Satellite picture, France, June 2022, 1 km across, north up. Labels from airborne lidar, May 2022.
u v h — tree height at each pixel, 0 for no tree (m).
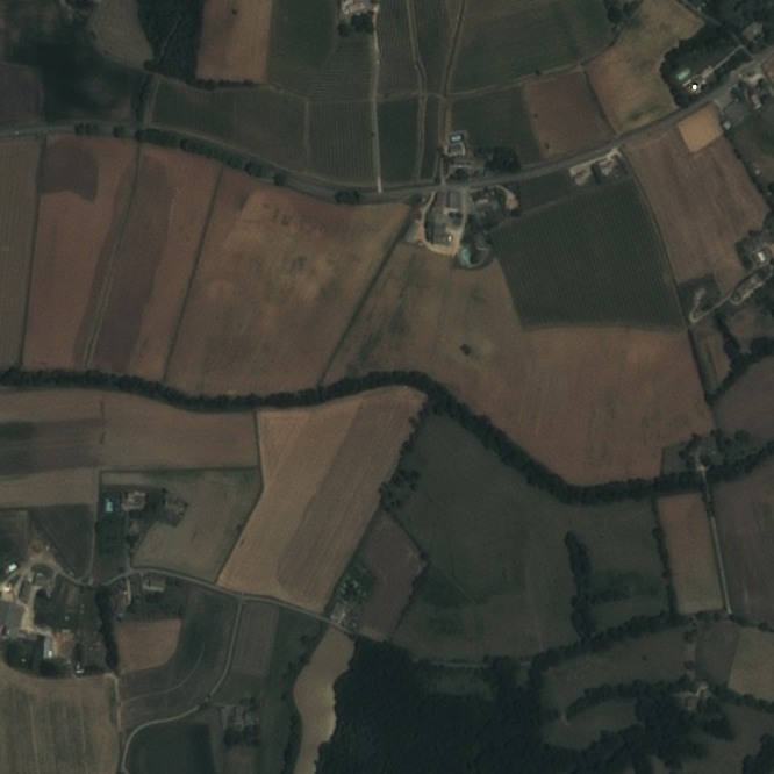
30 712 0
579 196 0
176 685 0
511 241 0
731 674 0
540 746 18
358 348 0
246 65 0
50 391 0
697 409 0
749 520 0
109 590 12
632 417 0
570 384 0
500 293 0
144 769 0
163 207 0
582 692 0
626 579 0
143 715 0
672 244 0
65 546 0
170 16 9
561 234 0
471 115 0
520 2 0
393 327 0
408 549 0
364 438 0
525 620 0
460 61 0
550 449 0
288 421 0
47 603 0
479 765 20
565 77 0
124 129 14
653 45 0
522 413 0
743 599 0
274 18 0
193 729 0
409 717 22
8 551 0
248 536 0
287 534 0
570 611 0
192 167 0
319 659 0
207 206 0
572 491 14
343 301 0
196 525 0
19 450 0
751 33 0
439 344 0
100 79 0
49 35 0
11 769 0
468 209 0
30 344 0
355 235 0
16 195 0
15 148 0
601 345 0
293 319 0
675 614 13
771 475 0
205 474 0
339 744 14
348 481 0
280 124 0
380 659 20
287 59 0
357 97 0
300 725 11
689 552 0
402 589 0
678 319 0
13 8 0
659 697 17
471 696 8
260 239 0
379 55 0
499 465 0
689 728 17
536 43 0
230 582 0
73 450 0
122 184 0
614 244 0
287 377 0
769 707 12
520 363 0
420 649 0
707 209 0
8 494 0
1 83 0
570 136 0
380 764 13
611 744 24
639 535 0
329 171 0
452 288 0
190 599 0
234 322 0
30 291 0
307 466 0
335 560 0
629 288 0
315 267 0
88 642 0
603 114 0
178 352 0
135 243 0
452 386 0
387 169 0
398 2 0
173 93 0
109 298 0
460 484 0
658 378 0
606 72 0
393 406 0
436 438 0
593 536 0
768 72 0
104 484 0
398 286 0
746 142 0
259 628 0
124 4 0
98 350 0
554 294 0
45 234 0
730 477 17
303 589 0
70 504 0
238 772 0
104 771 0
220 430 0
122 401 0
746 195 0
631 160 0
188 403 9
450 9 0
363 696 14
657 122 0
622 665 0
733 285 0
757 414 0
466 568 0
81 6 13
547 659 19
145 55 0
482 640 0
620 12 17
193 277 0
